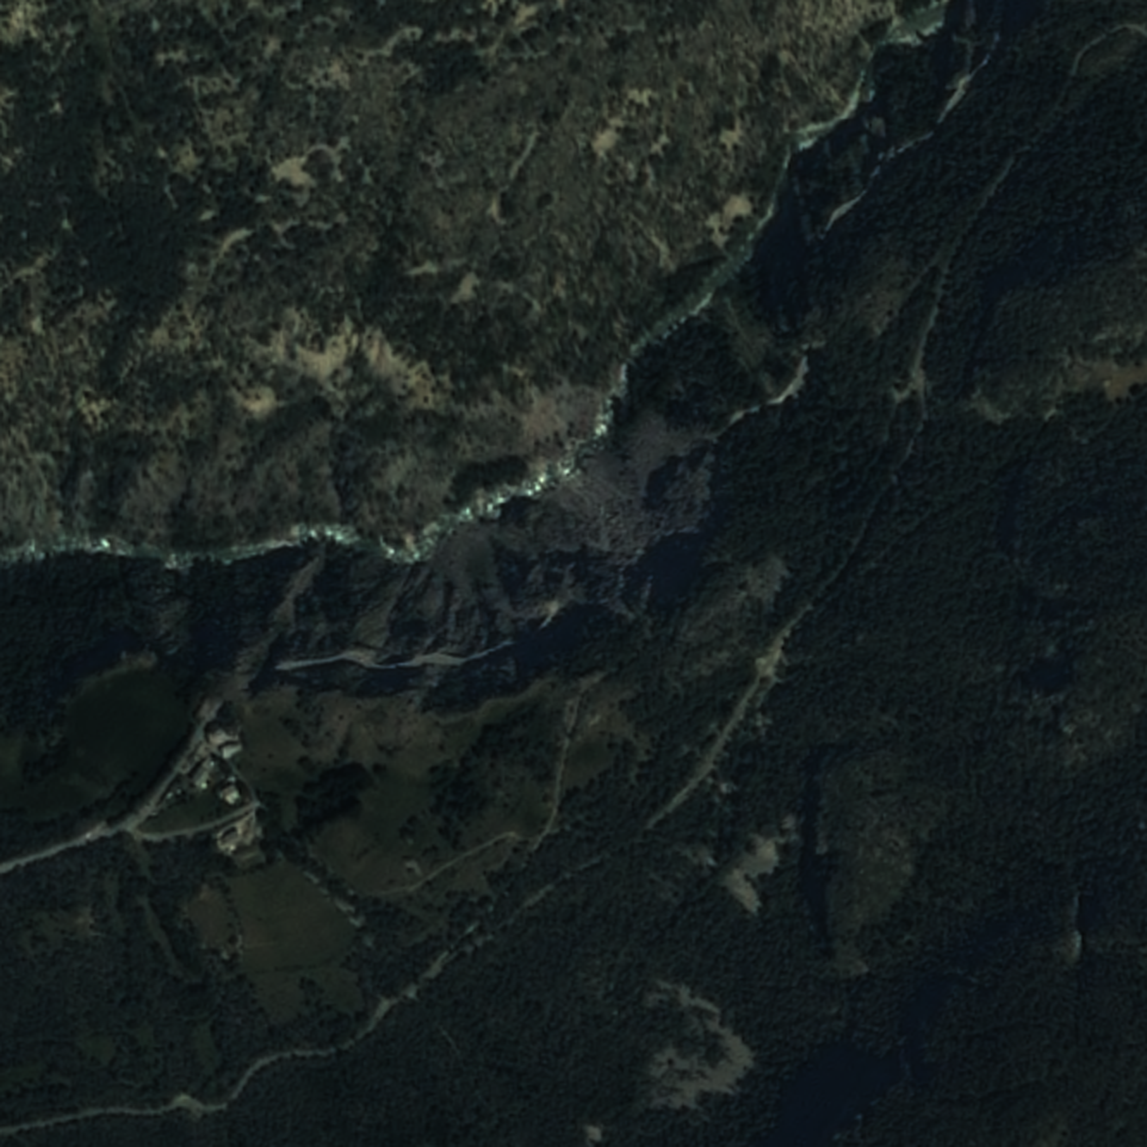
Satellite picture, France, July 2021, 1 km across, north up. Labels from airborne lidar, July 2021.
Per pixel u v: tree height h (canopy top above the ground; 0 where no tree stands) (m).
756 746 10
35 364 6
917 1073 7
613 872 9
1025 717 10
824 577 9
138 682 0
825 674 10
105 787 0
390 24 8
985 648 7
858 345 9
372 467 7
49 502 7
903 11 10
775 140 9
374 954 8
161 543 6
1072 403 9
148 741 0
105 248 11
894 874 0
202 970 9
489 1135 7
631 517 0
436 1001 9
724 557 8
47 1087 7
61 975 7
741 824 11
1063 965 8
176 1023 6
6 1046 8
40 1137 7
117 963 9
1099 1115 12
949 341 10
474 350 6
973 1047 15
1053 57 7
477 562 0
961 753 8
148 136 7
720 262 16
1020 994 12
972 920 10
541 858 8
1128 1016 7
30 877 8
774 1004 8
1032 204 14
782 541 12
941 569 6
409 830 10
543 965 7
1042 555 6
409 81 6
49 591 19
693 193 6
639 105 6
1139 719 10
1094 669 8
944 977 8
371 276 8
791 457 15
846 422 16
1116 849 8
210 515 6
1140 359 9
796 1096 11
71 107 8
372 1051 8
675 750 13
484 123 0
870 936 6
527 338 7
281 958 0
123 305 8
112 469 13
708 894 8
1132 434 10
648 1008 7
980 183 12
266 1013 7
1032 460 8
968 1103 15
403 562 0
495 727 13
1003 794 10
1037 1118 8
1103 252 11
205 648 9
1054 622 6
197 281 0
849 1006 5
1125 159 16
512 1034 9
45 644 14
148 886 10
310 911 0
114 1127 6
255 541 14
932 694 12
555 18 10
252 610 10
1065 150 14
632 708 8
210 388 10
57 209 8
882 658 11
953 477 13
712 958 8
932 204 19
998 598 10
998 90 7
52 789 0
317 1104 7
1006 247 13
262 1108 5
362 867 0
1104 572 8
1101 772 8
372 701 0
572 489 0
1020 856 15
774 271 7
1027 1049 9
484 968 8
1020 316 10
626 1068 12
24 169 7
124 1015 8
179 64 7
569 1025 6
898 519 14
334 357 0
